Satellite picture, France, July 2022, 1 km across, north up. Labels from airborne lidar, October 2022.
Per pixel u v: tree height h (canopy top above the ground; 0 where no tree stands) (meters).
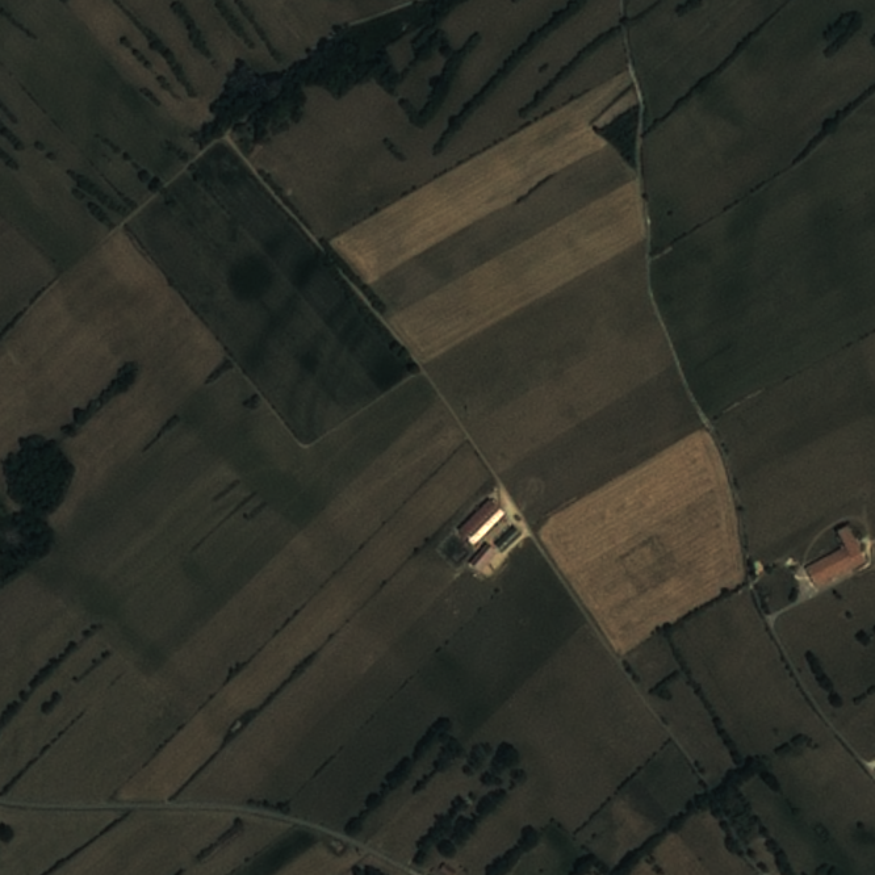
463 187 0
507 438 0
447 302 0
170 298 0
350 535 0
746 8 0
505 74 10
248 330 0
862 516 0
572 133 0
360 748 0
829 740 0
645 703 0
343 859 0
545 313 0
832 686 15
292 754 0
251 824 0
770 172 0
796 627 0
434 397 0
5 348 0
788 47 0
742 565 0
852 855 0
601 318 0
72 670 0
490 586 0
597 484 0
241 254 0
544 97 8
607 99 0
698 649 0
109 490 0
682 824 12
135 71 0
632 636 0
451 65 7
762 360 0
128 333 0
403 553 0
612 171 0
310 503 0
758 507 0
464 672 0
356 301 7
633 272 0
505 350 0
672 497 0
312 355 0
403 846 0
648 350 0
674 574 0
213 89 0
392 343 5
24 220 0
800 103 0
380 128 0
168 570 0
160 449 0
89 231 0
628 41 0
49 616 0
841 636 0
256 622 0
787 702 0
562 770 0
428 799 0
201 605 0
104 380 0
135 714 0
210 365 0
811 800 0
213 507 0
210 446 0
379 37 0
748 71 0
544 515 0
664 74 0
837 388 0
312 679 0
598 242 0
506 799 16
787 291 0
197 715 0
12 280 0
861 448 0
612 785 0
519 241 0
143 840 0
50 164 0
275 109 16
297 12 0
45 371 0
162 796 0
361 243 0
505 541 0
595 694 0
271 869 0
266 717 0
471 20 0
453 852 19
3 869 0
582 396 0
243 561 0
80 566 0
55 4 0
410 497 0
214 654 0
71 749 0
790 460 0
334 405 0
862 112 0
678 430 0
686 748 0
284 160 0
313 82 7
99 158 0
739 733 0
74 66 0
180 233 0
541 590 0
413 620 0
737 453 0
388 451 0
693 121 0
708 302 0
